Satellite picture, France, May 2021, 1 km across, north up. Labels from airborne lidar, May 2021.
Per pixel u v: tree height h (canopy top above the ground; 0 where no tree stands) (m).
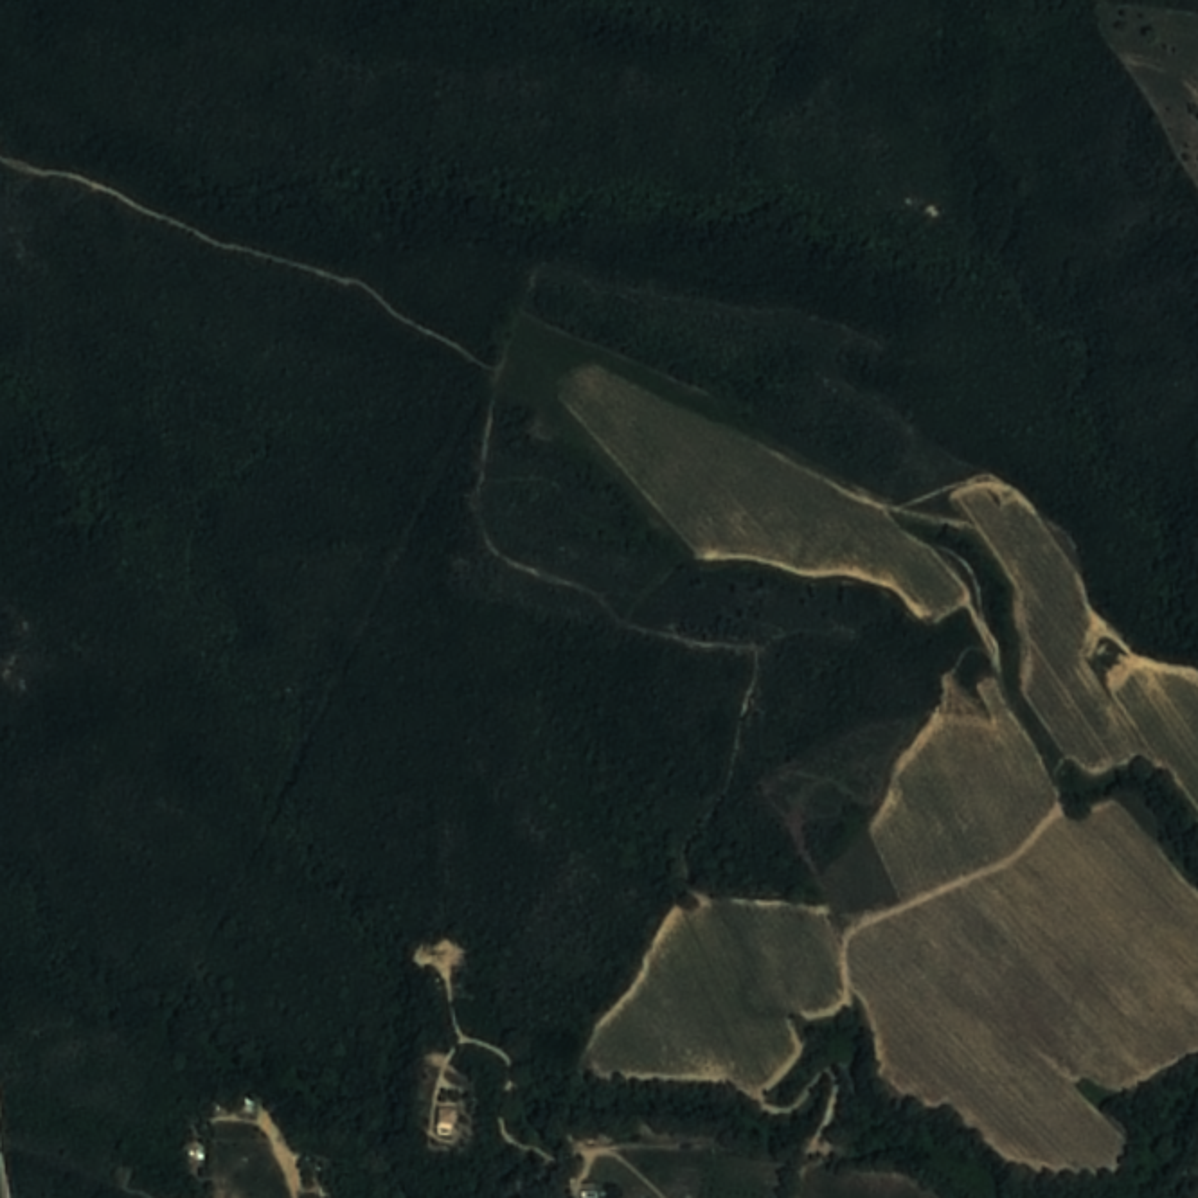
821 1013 0
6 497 6
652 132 8
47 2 8
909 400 6
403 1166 18
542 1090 16
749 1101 11
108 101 7
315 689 6
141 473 6
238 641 7
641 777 9
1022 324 10
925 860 0
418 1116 9
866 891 0
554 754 6
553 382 0
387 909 6
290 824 8
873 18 7
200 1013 13
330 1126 11
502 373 0
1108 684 0
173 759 9
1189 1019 0
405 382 7
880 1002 0
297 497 7
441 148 6
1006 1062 0
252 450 7
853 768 0
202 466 6
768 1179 0
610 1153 0
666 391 0
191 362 6
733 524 0
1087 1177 11
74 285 6
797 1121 15
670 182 6
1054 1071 0
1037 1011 0
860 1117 13
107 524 10
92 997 18
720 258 8
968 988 0
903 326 7
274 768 6
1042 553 0
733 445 0
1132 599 8
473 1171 7
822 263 12
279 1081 15
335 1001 5
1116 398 8
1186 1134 14
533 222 8
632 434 0
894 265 10
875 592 7
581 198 11
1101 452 15
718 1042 0
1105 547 7
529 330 0
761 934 0
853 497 0
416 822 6
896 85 6
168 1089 6
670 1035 0
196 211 7
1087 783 0
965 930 0
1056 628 0
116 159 8
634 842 12
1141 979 0
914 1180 8
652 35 10
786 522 0
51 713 7
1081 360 10
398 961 7
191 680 9
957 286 10
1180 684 0
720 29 11
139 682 7
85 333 6
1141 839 0
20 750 6
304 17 5
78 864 6
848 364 7
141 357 6
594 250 8
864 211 7
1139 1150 12
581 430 0
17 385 6
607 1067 0
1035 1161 0
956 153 6
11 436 6
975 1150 13
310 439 6
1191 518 9
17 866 8
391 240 8
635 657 6
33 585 8
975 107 7
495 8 8
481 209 12
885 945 0
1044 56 6
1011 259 8
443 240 6
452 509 6
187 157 7
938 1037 0
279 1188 0
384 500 5
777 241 9
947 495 0
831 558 0
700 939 0
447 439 6
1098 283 7
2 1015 8
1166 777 13
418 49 6
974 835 0
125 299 6
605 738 5
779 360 6
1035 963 0
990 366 8
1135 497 12
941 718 0
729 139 12
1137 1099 10
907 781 0
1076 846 0
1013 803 0
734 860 9
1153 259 7
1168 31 0
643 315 6
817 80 5
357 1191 8
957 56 8
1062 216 6
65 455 9
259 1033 5
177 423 6
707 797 11
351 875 6
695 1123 17
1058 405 6
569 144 6
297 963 6
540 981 8
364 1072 7
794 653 6
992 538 0
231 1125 0
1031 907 0
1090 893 0
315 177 8
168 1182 8
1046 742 0
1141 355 8
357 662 6
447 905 7
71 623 7
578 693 7
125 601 6
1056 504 9
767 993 0
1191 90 0
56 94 6
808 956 0
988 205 7
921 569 0
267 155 6
